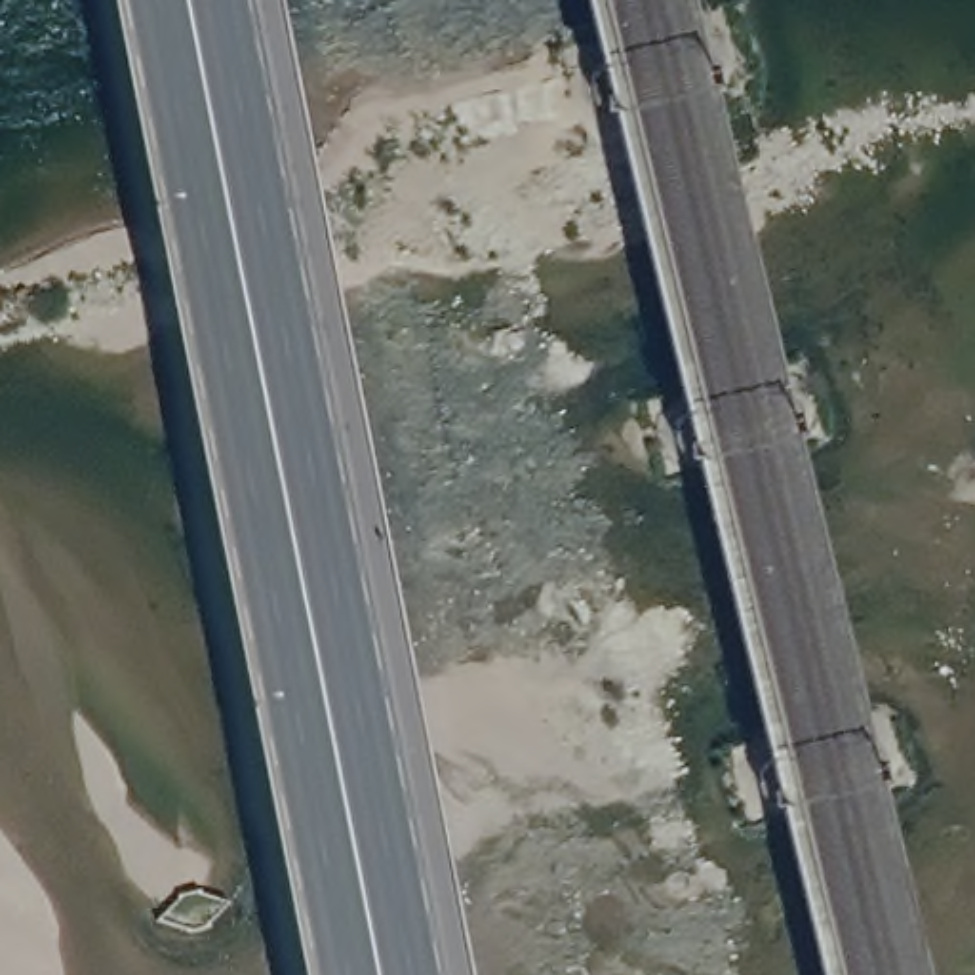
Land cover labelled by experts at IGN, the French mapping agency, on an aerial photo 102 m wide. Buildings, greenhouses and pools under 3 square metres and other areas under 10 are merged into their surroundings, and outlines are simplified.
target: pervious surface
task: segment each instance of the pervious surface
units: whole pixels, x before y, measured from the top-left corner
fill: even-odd
[[[644,232],[640,198],[598,38],[579,50],[583,80],[594,91],[602,156],[613,183],[625,240]]]
[[[899,788],[891,785],[891,766],[872,731],[876,708],[868,697],[865,655],[857,647],[857,632],[849,621],[834,537],[811,465],[811,453],[819,453],[823,446],[807,434],[807,419],[788,392],[785,366],[792,362],[785,354],[773,286],[762,255],[762,229],[750,229],[746,213],[739,168],[746,164],[731,118],[720,107],[724,91],[724,65],[705,42],[708,8],[705,0],[613,0],[625,65],[636,91],[636,110],[644,122],[647,156],[689,312],[689,331],[697,343],[697,366],[708,392],[708,415],[720,442],[720,461],[750,564],[750,587],[758,598],[785,705],[792,762],[815,830],[815,849],[826,880],[846,975],[937,975],[933,937],[918,914],[914,868],[899,826]]]

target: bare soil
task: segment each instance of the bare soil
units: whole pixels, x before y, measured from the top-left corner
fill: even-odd
[[[590,362],[575,358],[556,339],[545,369],[533,377],[537,388],[571,388],[590,377]]]
[[[693,876],[667,880],[670,899],[697,899],[701,891],[727,887],[724,868],[701,861]]]
[[[434,164],[430,156],[396,164],[396,141],[411,141],[415,110],[434,110],[438,118],[446,110],[457,110],[468,133],[488,137],[488,149],[468,152],[461,168]],[[541,255],[587,263],[621,255],[625,240],[613,183],[602,156],[594,91],[583,80],[579,50],[537,50],[522,69],[472,76],[427,95],[388,99],[381,88],[369,88],[354,99],[354,107],[339,118],[339,126],[328,133],[328,145],[320,149],[324,190],[335,190],[350,171],[358,171],[366,183],[366,225],[358,236],[358,259],[339,255],[339,289],[354,289],[377,270],[423,270],[442,278],[465,278],[476,270],[533,270]]]
[[[34,286],[57,282],[69,270],[118,267],[133,259],[137,286],[129,293],[118,293],[110,278],[99,286],[76,286],[69,293],[61,320],[34,320],[19,331],[0,335],[0,347],[30,339],[69,339],[76,347],[95,350],[133,350],[149,343],[152,354],[164,354],[164,335],[179,328],[156,198],[145,209],[137,209],[126,221],[126,229],[95,232],[23,267],[0,267],[0,286]]]
[[[922,91],[884,91],[876,107],[807,118],[807,126],[773,129],[769,137],[758,137],[758,156],[746,164],[739,168],[746,213],[750,229],[762,229],[769,213],[815,202],[815,179],[823,171],[838,171],[849,164],[872,171],[876,141],[887,133],[929,133],[933,141],[941,141],[948,126],[960,129],[964,122],[975,122],[975,91],[964,103],[941,103],[937,95]]]
[[[693,834],[689,819],[655,819],[655,849],[678,849]]]
[[[625,579],[602,567],[564,587],[545,587],[533,609],[510,621],[507,644],[491,663],[438,667],[434,678],[419,682],[430,720],[430,762],[438,769],[446,804],[446,830],[453,842],[465,846],[465,853],[480,838],[503,830],[510,819],[548,815],[564,807],[636,804],[647,788],[667,788],[686,773],[670,739],[670,724],[655,705],[655,693],[686,663],[686,647],[693,640],[682,628],[693,613],[632,609],[625,598]]]
[[[99,823],[110,830],[126,876],[164,914],[183,895],[206,891],[206,853],[171,846],[129,804],[114,754],[91,731],[91,724],[76,716],[72,735],[84,766],[88,800]]]
[[[57,910],[38,876],[11,846],[11,838],[0,830],[0,975],[65,975]]]

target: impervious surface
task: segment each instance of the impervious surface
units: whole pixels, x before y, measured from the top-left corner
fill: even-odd
[[[766,724],[762,739],[731,746],[724,785],[750,819],[788,819],[823,975],[846,975],[826,880],[815,849],[815,830],[792,762],[785,705],[758,598],[750,587],[750,564],[720,461],[720,442],[708,415],[708,392],[697,366],[697,343],[689,331],[689,312],[647,156],[644,122],[636,110],[636,91],[625,65],[613,0],[590,0],[598,38],[640,198],[644,232],[674,343],[674,362],[689,404],[686,415],[663,415],[663,404],[647,400],[647,415],[651,423],[659,423],[663,472],[678,472],[682,484],[689,488],[689,476],[705,468],[708,503]]]
[[[746,91],[746,65],[731,42],[724,11],[708,8],[705,42],[724,65],[724,91]]]
[[[914,766],[899,750],[891,712],[876,708],[872,731],[891,766],[891,785],[899,788],[914,785]]]
[[[823,446],[830,438],[823,430],[811,392],[804,388],[807,369],[807,362],[792,362],[785,366],[788,392],[807,419],[807,434]]]
[[[465,853],[465,846],[453,842],[446,830],[446,804],[438,769],[430,762],[430,720],[419,682],[415,651],[423,644],[423,628],[411,617],[404,587],[408,564],[400,560],[400,529],[392,522],[377,449],[381,430],[369,415],[369,392],[354,335],[354,289],[339,289],[339,255],[324,190],[320,149],[312,133],[312,88],[301,61],[289,0],[114,0],[156,198],[179,328],[255,701],[263,762],[270,777],[297,937],[305,952],[305,975],[480,975],[472,918],[484,903],[468,899],[465,891]]]
[[[206,891],[183,895],[164,914],[164,925],[175,925],[183,933],[213,929],[229,903]]]

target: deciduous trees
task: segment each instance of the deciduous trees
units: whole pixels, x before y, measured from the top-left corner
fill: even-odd
[[[34,320],[61,320],[69,293],[57,282],[34,286]]]

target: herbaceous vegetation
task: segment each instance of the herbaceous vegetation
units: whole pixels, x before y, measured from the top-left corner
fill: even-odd
[[[358,259],[358,236],[366,225],[366,183],[358,171],[350,171],[335,190],[324,190],[339,255]]]
[[[34,286],[0,286],[0,335],[19,331],[34,320]]]
[[[137,286],[133,259],[118,267],[69,270],[57,282],[69,293],[76,286],[99,286],[110,278],[118,293],[129,293]]]
[[[430,156],[434,164],[461,168],[468,152],[488,149],[488,137],[468,133],[457,110],[446,110],[438,118],[434,110],[415,110],[411,141],[396,141],[396,164]]]

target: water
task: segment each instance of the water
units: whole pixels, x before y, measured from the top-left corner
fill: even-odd
[[[887,133],[876,141],[872,171],[849,164],[838,171],[823,171],[815,179],[815,202],[769,213],[762,229],[762,255],[773,286],[785,354],[792,362],[807,362],[807,369],[815,369],[826,381],[826,396],[834,408],[830,438],[823,446],[819,453],[811,453],[811,465],[834,537],[849,621],[857,632],[857,647],[865,655],[868,697],[876,708],[891,712],[899,750],[914,766],[914,785],[899,788],[899,826],[914,868],[918,914],[933,937],[937,975],[975,975],[975,122],[964,122],[960,129],[948,126],[941,141],[933,141],[929,133]]]
[[[354,289],[354,335],[369,392],[369,415],[381,430],[377,449],[392,522],[400,529],[400,560],[408,564],[404,587],[411,617],[423,628],[423,644],[415,651],[419,682],[434,678],[438,667],[491,663],[507,644],[510,621],[533,609],[545,587],[564,587],[602,567],[625,579],[625,598],[632,609],[693,613],[682,628],[693,640],[686,647],[686,663],[655,693],[655,705],[670,724],[670,739],[686,773],[667,788],[647,788],[636,804],[564,807],[548,815],[510,819],[503,830],[480,838],[465,853],[465,891],[468,899],[484,903],[472,918],[480,975],[823,975],[788,819],[750,819],[724,785],[731,746],[762,739],[766,724],[708,503],[705,468],[689,476],[689,488],[682,484],[659,488],[655,476],[640,465],[644,430],[628,423],[628,408],[632,400],[647,400],[663,404],[663,415],[686,415],[689,404],[674,362],[674,343],[644,232],[625,240],[621,255],[587,263],[541,255],[533,270],[476,270],[465,278],[442,278],[423,270],[377,270]],[[545,369],[556,339],[575,358],[590,362],[590,377],[571,388],[537,388],[533,377]],[[689,819],[693,834],[678,849],[655,849],[655,819]],[[693,876],[701,861],[724,868],[727,887],[701,891],[697,899],[670,899],[667,880]]]
[[[91,731],[114,754],[129,804],[171,846],[206,853],[206,891],[229,903],[213,929],[183,933],[175,925],[164,925],[164,914],[126,876],[110,830],[99,823],[88,800],[84,766],[72,735],[76,716],[91,724]],[[30,339],[0,347],[0,830],[11,838],[11,846],[38,876],[57,910],[65,975],[305,975],[305,952],[297,937],[270,777],[263,762],[255,701],[179,328],[164,335],[164,354],[152,354],[149,343],[133,350],[95,350],[76,347],[69,339]]]
[[[579,50],[598,38],[590,0],[289,0],[301,61],[312,88],[312,133],[320,149],[328,145],[328,133],[339,126],[339,118],[354,107],[354,99],[369,88],[381,88],[388,99],[427,95],[472,76],[522,69],[537,50]]]
[[[758,137],[769,137],[773,129],[807,126],[807,118],[876,107],[884,91],[922,91],[937,95],[941,103],[964,103],[975,91],[975,0],[743,0],[766,53],[769,84],[758,114],[731,118],[746,164],[758,156]]]
[[[95,232],[126,229],[126,221],[137,209],[145,209],[156,198],[114,0],[0,0],[0,267],[23,267]]]

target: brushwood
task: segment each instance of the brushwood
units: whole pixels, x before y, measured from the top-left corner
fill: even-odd
[[[743,0],[705,0],[708,8],[724,11],[731,42],[746,65],[746,91],[724,91],[720,107],[731,118],[758,114],[769,84],[766,53]]]
[[[640,465],[655,476],[659,488],[682,484],[678,472],[663,472],[659,423],[651,423],[647,415],[647,400],[632,400],[628,408],[628,423],[644,430]]]
[[[807,369],[804,388],[811,392],[823,430],[830,438],[834,408],[826,396],[826,381],[815,369]]]

